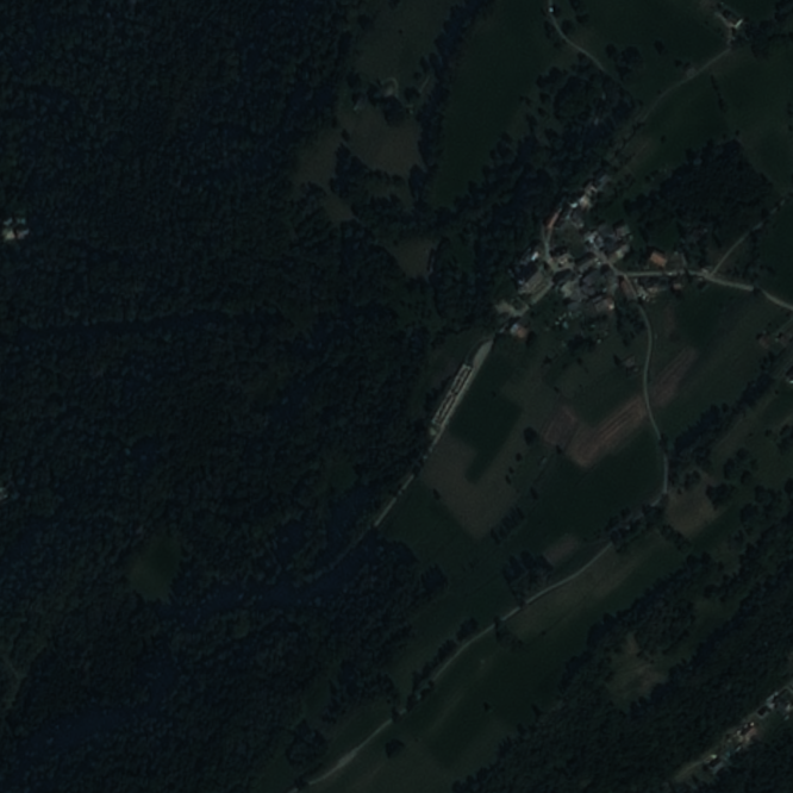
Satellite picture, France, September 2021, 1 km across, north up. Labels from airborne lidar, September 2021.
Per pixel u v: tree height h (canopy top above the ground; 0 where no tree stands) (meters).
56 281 24
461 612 0
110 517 21
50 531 22
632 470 0
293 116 21
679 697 23
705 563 12
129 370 28
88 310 22
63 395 24
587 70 12
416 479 13
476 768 0
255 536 31
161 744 25
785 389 0
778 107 0
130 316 26
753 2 0
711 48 0
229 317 22
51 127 37
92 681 25
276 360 28
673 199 21
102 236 28
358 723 0
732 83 0
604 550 0
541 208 26
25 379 27
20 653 15
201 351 25
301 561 30
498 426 0
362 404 25
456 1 0
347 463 23
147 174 28
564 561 0
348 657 23
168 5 22
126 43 28
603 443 0
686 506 0
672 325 0
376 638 27
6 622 20
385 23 0
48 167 28
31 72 30
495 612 0
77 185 28
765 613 21
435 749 0
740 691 24
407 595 25
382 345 26
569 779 12
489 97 0
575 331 0
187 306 25
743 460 16
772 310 0
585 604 0
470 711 0
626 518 9
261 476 35
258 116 32
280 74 35
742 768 9
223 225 25
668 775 21
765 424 0
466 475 0
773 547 18
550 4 0
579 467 0
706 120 0
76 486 28
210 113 20
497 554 0
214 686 29
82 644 24
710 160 19
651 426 0
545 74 0
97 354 27
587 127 6
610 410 0
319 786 0
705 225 23
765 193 20
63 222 23
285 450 32
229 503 20
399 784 0
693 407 0
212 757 29
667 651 16
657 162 0
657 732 26
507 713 0
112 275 28
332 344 24
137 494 25
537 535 0
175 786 28
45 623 15
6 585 19
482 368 0
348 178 17
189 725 29
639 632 11
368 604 24
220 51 22
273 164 26
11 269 22
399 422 25
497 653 0
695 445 16
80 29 27
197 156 24
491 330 13
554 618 0
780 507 25
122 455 35
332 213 0
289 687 21
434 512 0
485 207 19
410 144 0
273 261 20
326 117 23
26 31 18
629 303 7
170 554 0
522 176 12
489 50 0
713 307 0
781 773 20
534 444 14
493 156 8
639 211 17
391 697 19
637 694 0
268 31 34
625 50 0
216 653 16
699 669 21
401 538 0
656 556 0
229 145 23
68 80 26
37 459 24
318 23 28
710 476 15
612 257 0
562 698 12
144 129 21
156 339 22
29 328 26
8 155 28
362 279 27
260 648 25
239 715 26
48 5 18
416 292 9
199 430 22
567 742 20
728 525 0
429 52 0
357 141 0
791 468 0
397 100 0
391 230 28
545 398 0
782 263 0
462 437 0
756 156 0
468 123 0
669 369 0
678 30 0
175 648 26
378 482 21
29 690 8
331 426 27
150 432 24
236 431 19
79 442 27
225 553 22
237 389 20
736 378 0
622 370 8
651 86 0
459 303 11
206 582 25
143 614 27
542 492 0
